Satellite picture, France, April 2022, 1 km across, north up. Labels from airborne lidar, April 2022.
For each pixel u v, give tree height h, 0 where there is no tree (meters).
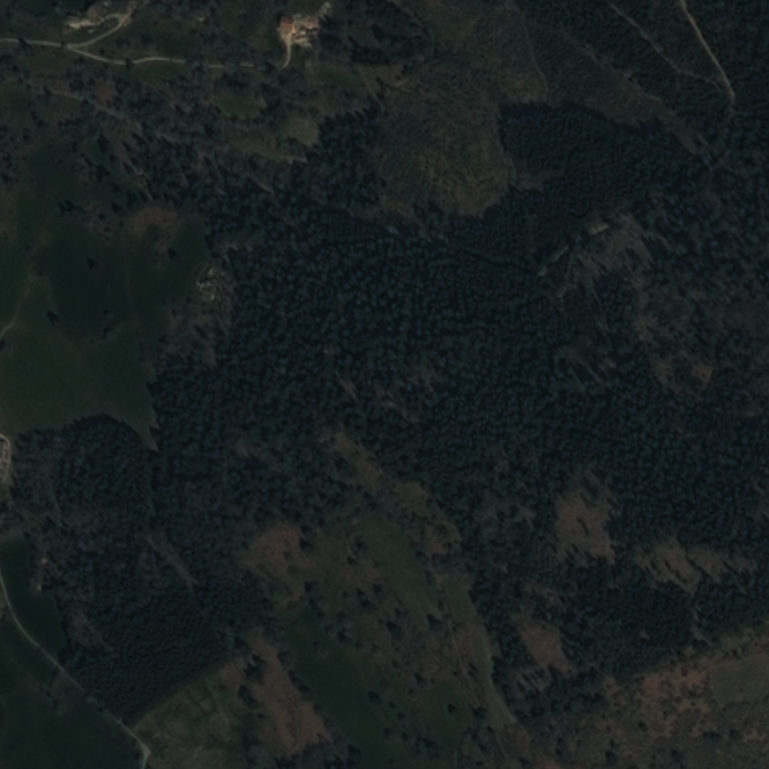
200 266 0
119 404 0
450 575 16
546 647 0
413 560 0
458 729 0
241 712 0
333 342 32
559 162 30
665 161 28
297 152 9
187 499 24
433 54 22
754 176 19
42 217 0
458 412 19
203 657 26
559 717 22
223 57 10
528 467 17
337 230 18
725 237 21
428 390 22
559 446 22
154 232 0
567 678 21
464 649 0
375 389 13
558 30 18
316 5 0
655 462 18
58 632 0
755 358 18
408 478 18
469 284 23
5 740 0
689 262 10
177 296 0
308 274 21
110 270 0
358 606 0
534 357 22
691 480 23
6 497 0
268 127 17
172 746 0
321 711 14
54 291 0
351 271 21
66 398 0
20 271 0
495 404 23
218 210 17
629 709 11
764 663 0
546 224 11
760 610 25
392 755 0
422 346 34
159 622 24
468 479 22
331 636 19
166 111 21
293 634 0
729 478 16
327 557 0
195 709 0
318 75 0
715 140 16
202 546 22
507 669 20
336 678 0
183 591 27
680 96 10
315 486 26
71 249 0
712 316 17
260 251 15
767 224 28
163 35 0
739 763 18
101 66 0
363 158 24
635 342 18
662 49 18
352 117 0
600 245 17
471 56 6
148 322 0
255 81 14
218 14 16
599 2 8
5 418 0
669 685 6
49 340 0
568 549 0
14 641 0
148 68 0
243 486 20
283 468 22
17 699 0
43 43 0
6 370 0
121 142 0
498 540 6
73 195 0
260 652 0
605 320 24
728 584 18
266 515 21
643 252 0
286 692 0
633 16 13
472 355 22
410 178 6
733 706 9
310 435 21
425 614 0
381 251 21
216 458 26
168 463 10
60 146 0
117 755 0
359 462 14
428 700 0
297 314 25
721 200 27
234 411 19
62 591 32
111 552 12
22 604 0
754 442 19
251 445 17
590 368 0
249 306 27
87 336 0
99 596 24
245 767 0
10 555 0
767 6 33
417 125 7
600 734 0
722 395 11
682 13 7
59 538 7
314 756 19
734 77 15
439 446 22
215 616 16
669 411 20
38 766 0
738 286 16
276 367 14
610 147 22
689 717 11
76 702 0
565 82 6
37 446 18
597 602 8
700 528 27
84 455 27
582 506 0
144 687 28
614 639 18
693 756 8
